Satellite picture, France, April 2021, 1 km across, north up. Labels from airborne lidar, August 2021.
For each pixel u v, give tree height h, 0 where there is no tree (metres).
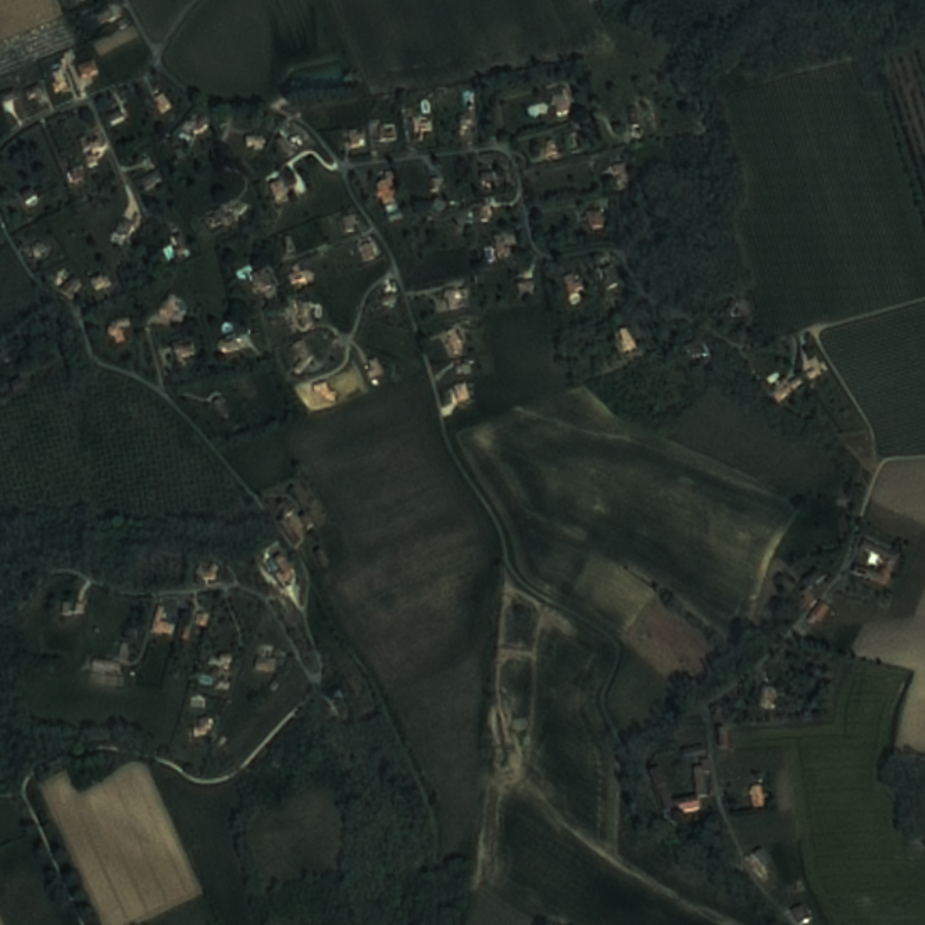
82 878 6
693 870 20
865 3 21
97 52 0
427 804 11
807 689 13
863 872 0
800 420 8
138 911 0
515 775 0
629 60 0
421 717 0
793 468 0
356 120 0
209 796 0
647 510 0
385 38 0
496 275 0
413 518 0
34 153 18
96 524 18
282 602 15
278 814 0
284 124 11
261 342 0
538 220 15
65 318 19
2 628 12
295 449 0
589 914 0
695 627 8
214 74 0
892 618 0
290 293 7
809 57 18
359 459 0
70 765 9
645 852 0
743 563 0
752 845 0
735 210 20
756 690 7
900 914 0
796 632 0
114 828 0
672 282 20
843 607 0
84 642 0
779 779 0
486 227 11
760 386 14
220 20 0
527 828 0
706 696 7
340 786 8
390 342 0
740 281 17
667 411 5
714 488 0
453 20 0
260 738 0
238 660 8
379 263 0
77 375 17
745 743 0
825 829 0
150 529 6
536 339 0
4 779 12
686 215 22
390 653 0
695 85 13
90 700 0
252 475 0
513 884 0
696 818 7
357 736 17
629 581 0
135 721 0
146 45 0
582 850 0
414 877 15
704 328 14
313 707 11
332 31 0
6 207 14
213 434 14
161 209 12
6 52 0
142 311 8
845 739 0
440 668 0
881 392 0
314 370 0
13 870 0
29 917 0
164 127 8
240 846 12
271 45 0
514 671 0
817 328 0
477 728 0
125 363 12
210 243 0
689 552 0
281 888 11
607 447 0
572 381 14
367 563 0
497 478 0
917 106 7
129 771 0
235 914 0
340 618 0
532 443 0
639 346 8
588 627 0
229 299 6
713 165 13
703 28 11
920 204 9
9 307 0
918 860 0
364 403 0
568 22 0
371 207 14
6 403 6
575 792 0
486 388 0
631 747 21
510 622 0
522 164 16
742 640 21
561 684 0
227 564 14
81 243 0
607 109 0
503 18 0
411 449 0
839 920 0
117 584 14
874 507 0
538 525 0
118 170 0
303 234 0
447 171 0
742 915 0
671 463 0
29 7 0
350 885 21
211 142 7
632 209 10
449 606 0
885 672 0
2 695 17
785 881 0
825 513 0
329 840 0
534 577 0
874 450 0
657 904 0
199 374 15
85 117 11
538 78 10
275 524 15
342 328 0
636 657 0
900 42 14
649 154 0
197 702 0
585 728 0
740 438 0
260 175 0
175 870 0
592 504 0
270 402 0
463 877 14
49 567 12
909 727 0
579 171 0
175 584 9
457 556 0
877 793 0
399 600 0
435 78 0
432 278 0
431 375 0
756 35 13
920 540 0
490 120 11
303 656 9
